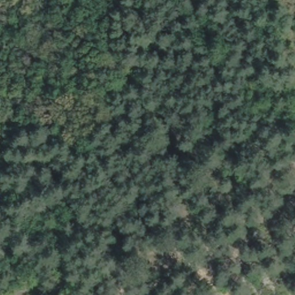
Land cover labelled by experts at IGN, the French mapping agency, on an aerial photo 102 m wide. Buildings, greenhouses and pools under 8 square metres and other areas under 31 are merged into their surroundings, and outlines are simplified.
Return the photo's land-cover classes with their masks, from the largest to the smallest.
<instances>
[{"label":"coniferous trees","instance_id":"1","mask_svg":"<svg viewBox=\"0 0 295 295\"><path fill-rule=\"evenodd\" d=\"M108 21L107 44H118V40L122 39L130 40L127 58L121 56L119 61H115L114 67L89 68L86 58H89L93 51H97V47H90L86 53H81V48L86 43H92V39L78 35L74 37L71 35L73 31L56 27L40 35L39 31L33 30V24L29 23L17 33L10 47H23L36 58L47 59L45 75L50 77V80H61L62 61L73 60L76 73L68 76V81H75L76 89L73 94L66 92L65 96L56 98L51 106L37 107L35 115L39 116L40 122L30 124L9 121V116L13 114L12 98H5L0 94V258L8 256L10 268L17 273H23L25 268H36L38 283L27 295H295V118L288 119L289 113L281 111L279 115L272 113L265 122L258 114H252L254 118L251 124H247L239 123L233 118L225 121L222 116L230 109L241 105L243 96H248L250 88H244L247 81L254 82L260 78L266 88L274 91L285 92L295 89V0H108L106 12L97 18L96 23ZM124 66L131 68L126 82L134 86L137 97L127 100L122 114L113 116L112 120L97 121L98 107L84 104L83 97L86 93L103 88L109 73L121 70ZM69 192L73 194L71 198L76 199V205L82 206L80 218L70 219L66 230L54 229L53 234L44 236L43 242H37L35 247H30L29 237L24 235L25 230L21 229L22 221L33 212H41L46 207L60 204L61 199Z\"/></svg>","mask_w":295,"mask_h":295},{"label":"deciduous trees","instance_id":"2","mask_svg":"<svg viewBox=\"0 0 295 295\"><path fill-rule=\"evenodd\" d=\"M108 0H0V94L5 98H12L13 114L9 116V121L30 124L40 122L39 116L35 115L37 107L51 106L56 98L65 96L66 92L73 94L76 89L75 81H68V76L76 73L73 60L62 61L61 80H50V77L45 75L47 59L36 58L23 47H10L17 33L29 23L33 24V30L39 31L40 35L56 27L73 31L71 35L74 37L78 35L92 39V43H86L81 48V53H86L90 47H97V51H93L89 58H86L89 68L114 67L115 61H119L121 56L127 58L130 40L122 39L118 40V44H107L108 21L96 23L97 18L106 12ZM131 68L124 66L121 70L109 73L103 88L86 93L83 97L84 104L98 107L97 121L112 120L113 116L122 114L127 100L137 97L134 86L126 82ZM244 88H250L248 96H243L241 105L230 109L222 116L225 121L233 118L239 123L247 124H251L254 118L252 114H258L265 122L272 113L279 115L281 111L289 113L288 119L295 118V89L285 92L274 91L266 88L260 78L254 82L247 81ZM73 194L69 192L61 199L60 204L46 207L41 212H33L22 221L21 229L25 230L24 235L29 237L30 247H35L37 242H43L44 236L53 234L54 229L66 230L70 219L80 218L82 206L76 205V199L71 198ZM8 256L0 258V295H27L38 283L36 268H25L23 273H17L10 268Z\"/></svg>","mask_w":295,"mask_h":295}]
</instances>
